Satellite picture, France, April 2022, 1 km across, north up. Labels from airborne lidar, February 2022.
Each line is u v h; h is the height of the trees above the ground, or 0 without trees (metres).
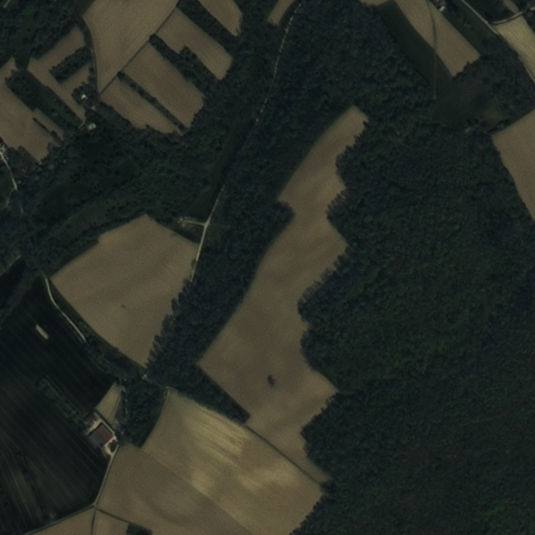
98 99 14
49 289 0
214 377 0
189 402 0
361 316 27
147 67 0
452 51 0
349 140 0
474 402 23
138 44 0
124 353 0
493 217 14
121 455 0
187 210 7
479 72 19
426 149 15
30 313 0
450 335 22
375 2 0
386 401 27
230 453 0
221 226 0
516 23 0
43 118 0
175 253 0
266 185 30
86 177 10
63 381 0
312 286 0
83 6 0
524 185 0
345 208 25
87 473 0
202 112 8
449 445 21
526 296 22
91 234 7
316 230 0
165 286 0
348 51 17
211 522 0
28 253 26
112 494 0
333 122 18
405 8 0
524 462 21
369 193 29
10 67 0
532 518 25
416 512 21
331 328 17
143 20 0
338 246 0
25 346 0
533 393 23
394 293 29
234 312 22
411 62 19
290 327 0
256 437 0
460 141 19
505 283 30
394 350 26
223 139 18
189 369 28
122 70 0
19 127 0
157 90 0
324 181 0
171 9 0
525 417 20
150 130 9
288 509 0
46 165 8
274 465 0
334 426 27
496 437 16
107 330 0
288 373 0
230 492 0
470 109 0
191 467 0
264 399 0
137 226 0
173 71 0
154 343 0
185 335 28
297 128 18
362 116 0
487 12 0
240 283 27
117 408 0
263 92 21
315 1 21
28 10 13
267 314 0
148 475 0
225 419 0
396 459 20
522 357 24
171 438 0
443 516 18
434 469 15
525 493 24
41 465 0
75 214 15
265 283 0
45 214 0
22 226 31
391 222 27
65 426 0
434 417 23
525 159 0
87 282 0
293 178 0
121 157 12
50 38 10
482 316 25
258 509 0
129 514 0
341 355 21
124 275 0
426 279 24
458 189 19
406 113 22
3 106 0
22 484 0
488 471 23
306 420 0
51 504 0
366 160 8
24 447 0
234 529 0
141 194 10
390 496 22
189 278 0
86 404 0
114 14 0
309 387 0
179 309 24
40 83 0
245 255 26
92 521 0
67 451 0
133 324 0
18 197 19
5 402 0
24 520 0
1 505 0
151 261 0
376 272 32
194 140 11
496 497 25
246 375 0
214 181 0
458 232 21
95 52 0
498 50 21
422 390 24
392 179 20
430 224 25
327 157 0
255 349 0
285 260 0
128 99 0
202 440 0
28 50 7
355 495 21
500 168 19
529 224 25
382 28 27
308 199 0
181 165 12
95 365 0
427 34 0
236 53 9
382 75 25
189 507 0
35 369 0
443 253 27
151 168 7
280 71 6
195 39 0
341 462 28
